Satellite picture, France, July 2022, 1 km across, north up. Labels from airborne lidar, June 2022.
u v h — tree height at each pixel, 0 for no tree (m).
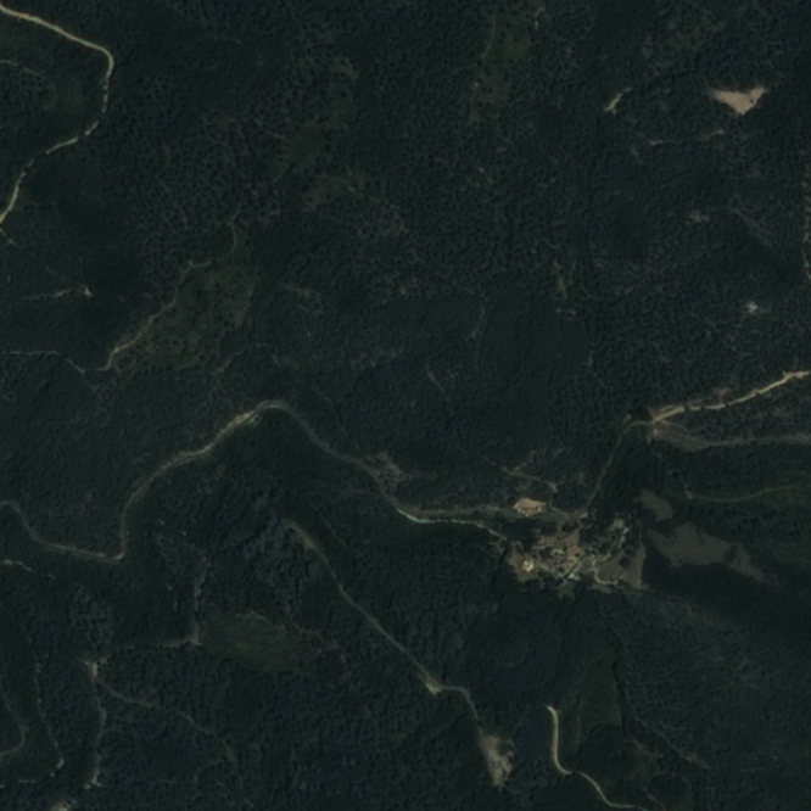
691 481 21
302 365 6
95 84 7
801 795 6
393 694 13
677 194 13
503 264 17
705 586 6
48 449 7
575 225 6
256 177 16
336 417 8
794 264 8
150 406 12
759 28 14
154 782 17
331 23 9
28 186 8
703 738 6
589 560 0
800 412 7
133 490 6
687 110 14
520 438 10
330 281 8
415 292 13
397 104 17
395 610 20
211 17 19
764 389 0
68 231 12
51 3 16
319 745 5
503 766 0
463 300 12
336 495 11
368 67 11
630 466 13
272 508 15
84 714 17
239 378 10
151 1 7
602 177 15
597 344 19
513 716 13
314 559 6
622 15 11
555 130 12
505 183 17
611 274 12
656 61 12
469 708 7
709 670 7
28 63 10
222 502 13
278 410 9
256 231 9
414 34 17
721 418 6
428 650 19
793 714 7
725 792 9
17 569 9
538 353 14
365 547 14
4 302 13
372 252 7
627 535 9
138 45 12
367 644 20
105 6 13
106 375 8
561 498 13
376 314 12
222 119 18
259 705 13
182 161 19
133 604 14
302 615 8
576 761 17
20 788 10
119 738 11
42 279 14
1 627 11
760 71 15
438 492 9
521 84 15
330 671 11
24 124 7
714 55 19
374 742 15
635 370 18
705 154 10
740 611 7
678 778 9
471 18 12
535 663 16
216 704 20
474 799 13
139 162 13
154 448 12
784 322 13
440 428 16
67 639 13
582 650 17
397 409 13
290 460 9
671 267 8
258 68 7
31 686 17
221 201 12
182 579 15
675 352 13
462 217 19
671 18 13
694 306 11
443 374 8
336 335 12
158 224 15
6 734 15
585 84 20
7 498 12
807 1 14
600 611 15
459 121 14
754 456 19
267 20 20
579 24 18
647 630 11
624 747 10
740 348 14
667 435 0
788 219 10
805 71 10
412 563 14
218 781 7
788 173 14
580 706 6
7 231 10
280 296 13
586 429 16
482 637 9
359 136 10
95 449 14
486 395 10
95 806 17
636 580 0
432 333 11
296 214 12
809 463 8
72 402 11
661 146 11
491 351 12
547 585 9
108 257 10
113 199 12
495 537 8
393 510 9
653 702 16
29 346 15
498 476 9
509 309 16
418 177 17
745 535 15
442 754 14
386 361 8
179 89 11
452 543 12
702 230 9
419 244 13
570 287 7
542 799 12
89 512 5
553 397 16
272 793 20
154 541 13
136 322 13
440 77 13
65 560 10
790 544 14
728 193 10
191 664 22
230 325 15
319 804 14
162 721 16
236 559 10
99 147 15
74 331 14
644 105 15
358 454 6
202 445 10
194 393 8
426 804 16
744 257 11
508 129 12
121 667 9
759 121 8
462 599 17
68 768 8
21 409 13
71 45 8
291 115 19
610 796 10
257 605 12
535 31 16
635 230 9
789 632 6
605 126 16
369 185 14
